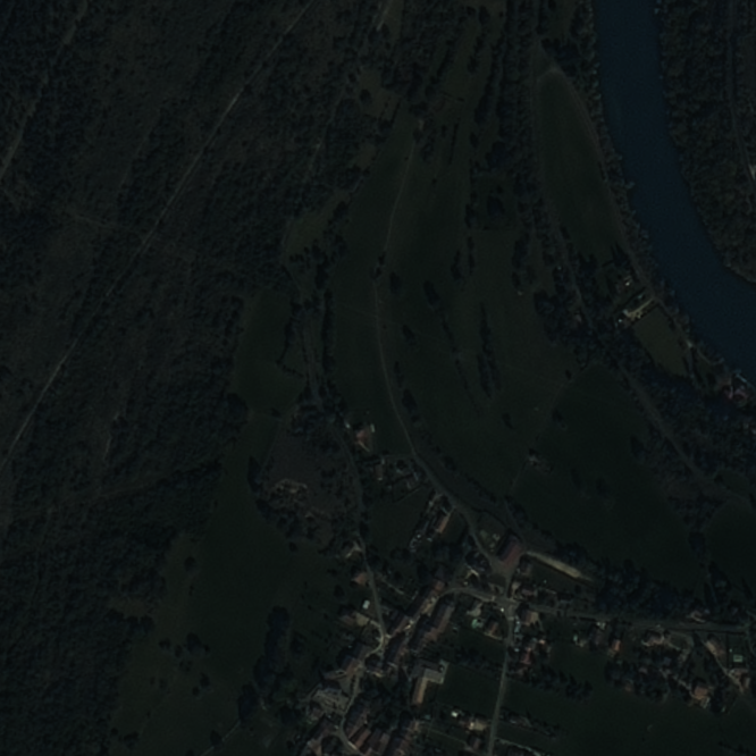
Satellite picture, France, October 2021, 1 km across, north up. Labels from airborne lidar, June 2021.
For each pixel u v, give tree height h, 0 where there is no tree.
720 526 0
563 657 0
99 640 11
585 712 0
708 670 9
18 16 12
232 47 15
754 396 7
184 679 0
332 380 11
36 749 10
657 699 9
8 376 16
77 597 15
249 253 16
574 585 0
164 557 20
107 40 8
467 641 0
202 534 19
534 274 0
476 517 0
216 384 11
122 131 6
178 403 11
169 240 6
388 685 0
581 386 0
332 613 0
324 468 0
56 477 14
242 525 0
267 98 9
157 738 0
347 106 12
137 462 13
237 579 0
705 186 9
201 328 7
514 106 13
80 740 17
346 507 9
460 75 0
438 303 18
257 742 0
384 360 0
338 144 14
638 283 15
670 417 11
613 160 9
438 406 0
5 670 21
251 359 0
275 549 0
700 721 0
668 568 0
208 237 11
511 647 0
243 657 0
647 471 0
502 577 0
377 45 9
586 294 16
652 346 0
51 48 10
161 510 14
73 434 13
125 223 11
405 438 0
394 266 0
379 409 0
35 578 12
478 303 0
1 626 14
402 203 0
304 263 8
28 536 10
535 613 0
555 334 12
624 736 0
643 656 9
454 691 0
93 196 9
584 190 0
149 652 0
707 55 8
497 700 0
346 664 0
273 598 0
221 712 0
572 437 0
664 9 14
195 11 6
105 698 10
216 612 0
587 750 0
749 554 0
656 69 0
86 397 7
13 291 9
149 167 12
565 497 0
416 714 8
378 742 0
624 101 0
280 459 0
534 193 22
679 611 16
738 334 0
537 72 0
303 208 15
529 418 0
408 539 0
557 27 0
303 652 17
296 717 11
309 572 0
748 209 10
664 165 0
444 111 0
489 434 0
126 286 7
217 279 7
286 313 0
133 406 12
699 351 7
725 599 15
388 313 0
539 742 0
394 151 0
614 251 0
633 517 0
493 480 0
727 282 0
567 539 0
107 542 16
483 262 0
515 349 0
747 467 7
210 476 17
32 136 16
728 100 8
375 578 0
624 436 0
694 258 0
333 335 16
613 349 7
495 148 0
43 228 18
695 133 15
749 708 0
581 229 0
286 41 10
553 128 0
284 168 6
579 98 0
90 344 11
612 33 0
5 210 12
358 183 17
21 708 20
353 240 0
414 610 0
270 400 0
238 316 10
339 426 15
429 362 0
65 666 6
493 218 14
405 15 6
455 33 10
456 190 0
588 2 12
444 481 0
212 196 9
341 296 0
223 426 15
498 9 0
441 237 0
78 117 11
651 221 0
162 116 7
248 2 6
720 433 12
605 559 0
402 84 14
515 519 9
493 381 15
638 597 20
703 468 11
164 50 6
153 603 14
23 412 9
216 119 8
